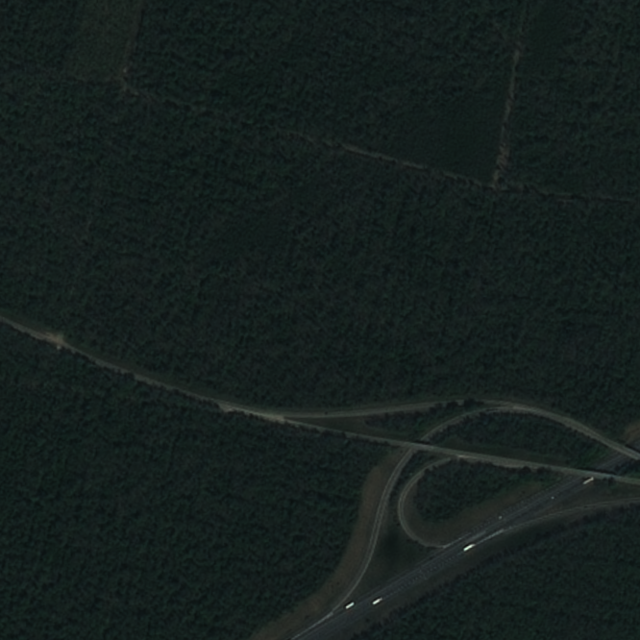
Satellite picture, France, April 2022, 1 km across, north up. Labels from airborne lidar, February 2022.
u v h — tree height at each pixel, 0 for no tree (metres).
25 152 19
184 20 17
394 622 14
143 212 17
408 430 11
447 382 17
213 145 19
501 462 0
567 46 16
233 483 16
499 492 9
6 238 17
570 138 17
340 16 11
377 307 17
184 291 15
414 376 9
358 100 7
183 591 10
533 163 21
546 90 15
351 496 13
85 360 11
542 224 15
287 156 15
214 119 20
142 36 12
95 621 18
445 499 14
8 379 15
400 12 6
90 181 22
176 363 15
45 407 12
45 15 11
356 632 0
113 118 17
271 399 14
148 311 15
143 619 15
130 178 13
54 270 17
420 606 9
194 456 16
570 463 8
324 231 11
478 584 13
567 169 16
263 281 16
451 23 20
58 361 17
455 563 0
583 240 16
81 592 18
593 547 16
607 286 20
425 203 18
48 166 16
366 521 0
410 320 19
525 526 0
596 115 19
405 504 0
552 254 12
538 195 20
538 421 8
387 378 17
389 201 16
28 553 15
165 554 15
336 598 0
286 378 15
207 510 16
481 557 0
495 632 17
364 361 17
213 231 17
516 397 9
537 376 16
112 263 14
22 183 17
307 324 17
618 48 18
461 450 0
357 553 0
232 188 16
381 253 13
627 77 17
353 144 9
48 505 20
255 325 18
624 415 17
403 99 17
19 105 19
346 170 18
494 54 17
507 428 13
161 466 19
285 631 0
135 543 19
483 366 18
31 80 19
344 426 0
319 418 0
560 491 0
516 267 17
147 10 8
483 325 17
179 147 17
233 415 8
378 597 0
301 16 9
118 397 15
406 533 0
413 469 8
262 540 13
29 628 16
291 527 16
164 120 15
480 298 16
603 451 10
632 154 14
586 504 0
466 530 0
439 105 8
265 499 15
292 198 8
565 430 6
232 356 17
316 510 19
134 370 0
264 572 10
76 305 16
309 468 14
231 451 15
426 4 19
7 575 11
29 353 15
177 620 16
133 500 16
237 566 15
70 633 14
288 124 14
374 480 0
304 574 9
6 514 13
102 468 16
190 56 19
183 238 17
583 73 16
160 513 18
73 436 16
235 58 18
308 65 9
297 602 9
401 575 0
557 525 0
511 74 9
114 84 11
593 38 18
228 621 14
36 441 15
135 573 16
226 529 16
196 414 15
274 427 8
